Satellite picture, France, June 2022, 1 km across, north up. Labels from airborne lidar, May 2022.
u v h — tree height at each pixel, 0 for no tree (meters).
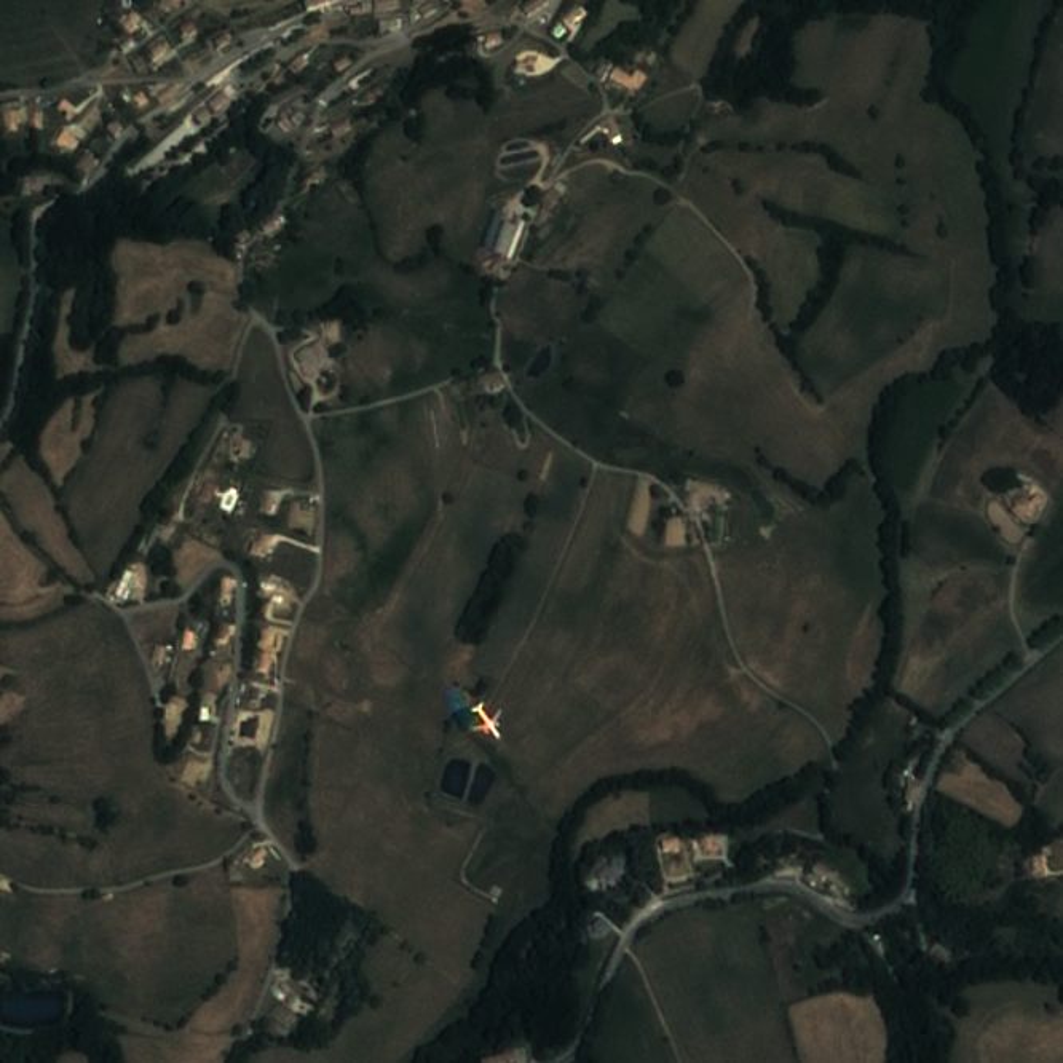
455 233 0
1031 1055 0
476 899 0
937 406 0
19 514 0
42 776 0
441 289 0
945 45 17
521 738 0
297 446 0
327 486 0
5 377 5
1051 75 0
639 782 18
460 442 0
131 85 0
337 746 0
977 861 13
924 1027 22
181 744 13
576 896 12
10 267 0
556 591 0
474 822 0
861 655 0
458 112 0
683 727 0
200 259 0
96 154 8
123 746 0
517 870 0
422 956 8
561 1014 19
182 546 0
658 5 15
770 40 15
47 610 0
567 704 0
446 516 0
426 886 0
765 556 0
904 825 10
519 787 0
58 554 0
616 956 0
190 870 0
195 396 0
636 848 20
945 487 0
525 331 0
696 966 0
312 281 0
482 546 0
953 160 0
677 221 0
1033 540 12
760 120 0
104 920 0
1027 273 15
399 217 0
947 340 0
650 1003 0
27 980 14
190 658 0
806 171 0
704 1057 0
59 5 0
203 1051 0
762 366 0
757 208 0
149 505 12
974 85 0
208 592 0
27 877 0
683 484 8
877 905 12
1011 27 0
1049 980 18
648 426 0
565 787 0
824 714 0
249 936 0
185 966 0
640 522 0
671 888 7
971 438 0
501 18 0
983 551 0
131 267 0
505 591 12
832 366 0
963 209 0
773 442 0
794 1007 0
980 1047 0
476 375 6
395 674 0
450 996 0
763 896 6
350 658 0
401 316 0
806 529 0
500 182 0
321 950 14
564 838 15
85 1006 17
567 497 0
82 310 11
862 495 0
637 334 0
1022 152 11
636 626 0
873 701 19
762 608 0
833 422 0
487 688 8
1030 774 16
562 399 0
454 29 15
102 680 0
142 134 8
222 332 0
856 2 20
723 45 10
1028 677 0
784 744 0
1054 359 19
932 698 0
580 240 0
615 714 0
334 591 0
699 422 0
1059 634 19
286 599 0
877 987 11
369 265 0
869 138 0
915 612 0
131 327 8
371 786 0
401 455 0
